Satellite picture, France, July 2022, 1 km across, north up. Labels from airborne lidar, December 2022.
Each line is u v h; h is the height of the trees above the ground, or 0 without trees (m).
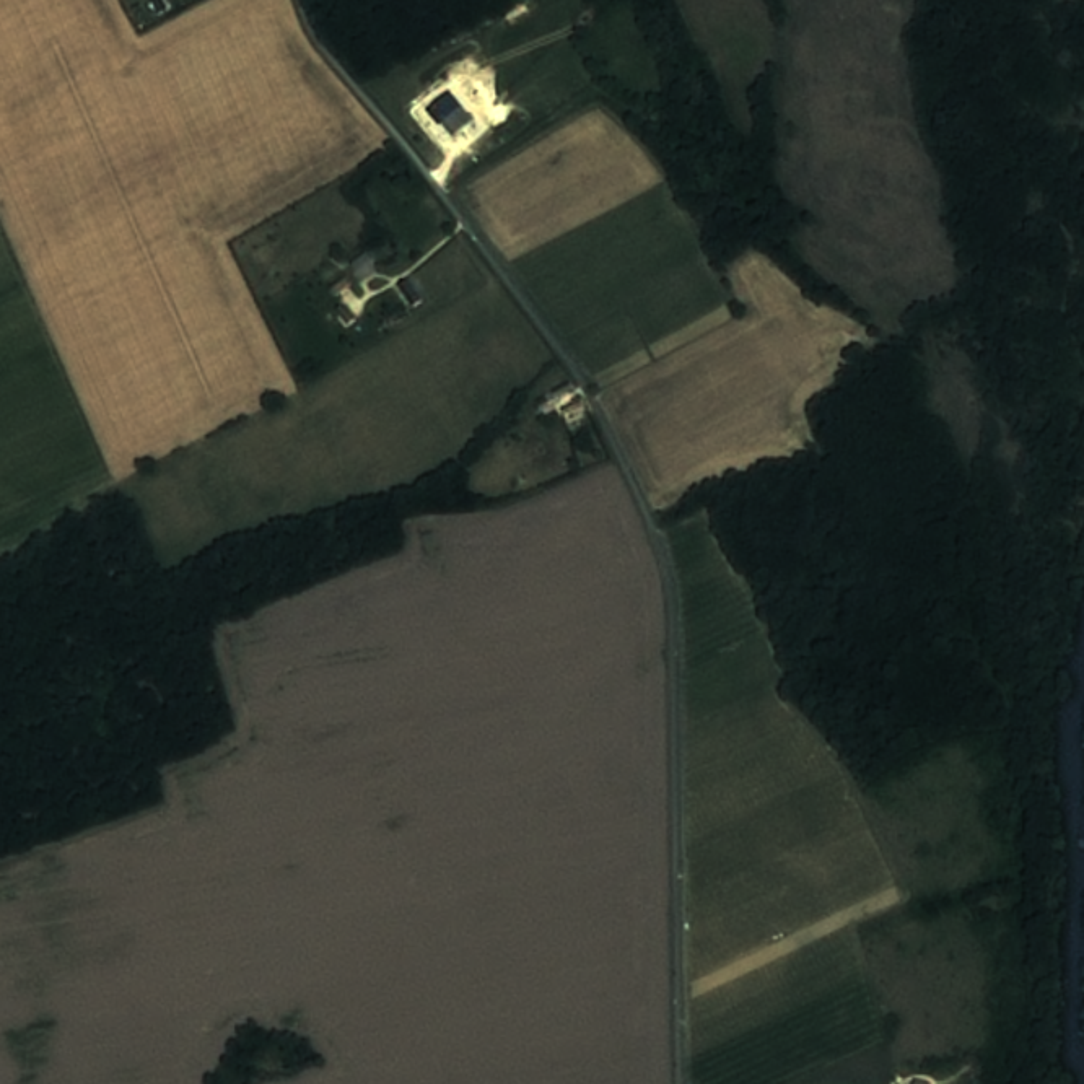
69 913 0
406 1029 0
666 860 0
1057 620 19
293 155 0
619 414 0
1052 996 20
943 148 12
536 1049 0
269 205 0
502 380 0
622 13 0
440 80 0
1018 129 10
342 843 0
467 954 0
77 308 0
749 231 14
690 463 0
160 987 0
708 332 0
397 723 0
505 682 0
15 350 0
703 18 0
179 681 24
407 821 0
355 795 0
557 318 0
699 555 0
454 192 0
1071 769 0
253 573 23
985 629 7
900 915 0
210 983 0
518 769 0
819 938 0
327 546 19
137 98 0
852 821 0
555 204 0
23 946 0
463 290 0
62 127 0
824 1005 0
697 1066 0
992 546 11
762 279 0
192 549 0
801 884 0
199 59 0
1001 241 9
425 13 26
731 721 0
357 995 0
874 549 23
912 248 0
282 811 0
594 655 0
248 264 0
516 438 7
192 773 0
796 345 0
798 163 0
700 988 0
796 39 0
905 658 8
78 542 25
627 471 0
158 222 0
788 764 0
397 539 15
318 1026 0
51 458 0
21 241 0
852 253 0
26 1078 0
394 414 0
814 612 20
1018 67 6
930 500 18
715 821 0
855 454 18
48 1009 0
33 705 19
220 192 0
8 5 0
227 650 0
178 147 0
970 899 15
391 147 12
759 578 20
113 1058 0
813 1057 0
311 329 0
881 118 0
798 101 0
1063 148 8
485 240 0
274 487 0
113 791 22
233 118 0
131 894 0
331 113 0
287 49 0
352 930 0
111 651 19
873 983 0
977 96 13
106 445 0
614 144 0
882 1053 0
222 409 0
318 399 0
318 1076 0
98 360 0
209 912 0
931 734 13
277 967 0
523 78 0
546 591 0
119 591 26
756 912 0
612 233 0
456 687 0
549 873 0
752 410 0
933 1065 10
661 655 0
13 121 0
